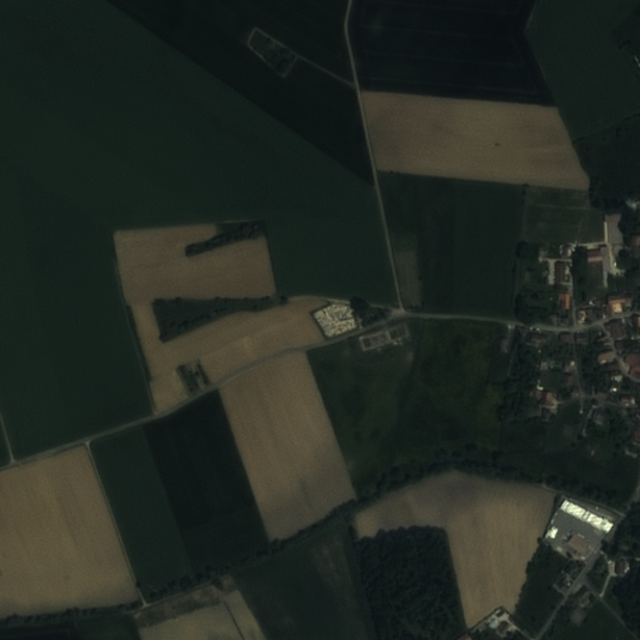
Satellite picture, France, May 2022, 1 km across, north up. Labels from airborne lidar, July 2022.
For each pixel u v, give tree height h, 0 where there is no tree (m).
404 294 0
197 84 0
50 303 0
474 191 0
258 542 0
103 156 0
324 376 0
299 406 0
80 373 0
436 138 0
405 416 0
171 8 0
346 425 0
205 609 0
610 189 0
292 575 0
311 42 0
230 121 0
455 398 0
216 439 0
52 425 0
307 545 0
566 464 0
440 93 0
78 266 0
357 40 0
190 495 0
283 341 0
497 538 0
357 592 0
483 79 0
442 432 0
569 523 0
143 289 0
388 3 0
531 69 0
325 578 0
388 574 27
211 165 0
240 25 0
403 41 0
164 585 0
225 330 0
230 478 0
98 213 0
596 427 10
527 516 0
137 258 0
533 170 0
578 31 0
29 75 0
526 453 0
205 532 0
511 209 0
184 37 0
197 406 0
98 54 0
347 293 0
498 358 0
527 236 0
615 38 0
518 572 0
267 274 0
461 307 0
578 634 0
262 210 0
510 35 0
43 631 0
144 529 0
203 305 0
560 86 0
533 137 0
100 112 0
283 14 0
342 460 0
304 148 0
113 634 0
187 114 0
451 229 0
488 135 0
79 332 0
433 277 0
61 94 0
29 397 0
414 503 0
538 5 0
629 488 0
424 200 0
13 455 0
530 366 8
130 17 0
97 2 0
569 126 0
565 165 0
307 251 0
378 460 0
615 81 0
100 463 0
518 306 13
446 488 0
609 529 0
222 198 0
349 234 0
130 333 0
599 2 0
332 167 0
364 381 0
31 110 0
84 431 0
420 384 0
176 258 0
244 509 0
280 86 0
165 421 0
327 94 0
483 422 0
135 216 0
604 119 0
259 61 0
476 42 0
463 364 0
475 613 0
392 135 0
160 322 0
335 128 0
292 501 0
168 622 0
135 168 0
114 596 0
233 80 0
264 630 0
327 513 0
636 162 0
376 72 0
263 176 0
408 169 0
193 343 0
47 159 0
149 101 0
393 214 0
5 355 0
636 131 0
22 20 0
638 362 0
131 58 0
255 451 0
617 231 0
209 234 0
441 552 24
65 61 0
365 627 0
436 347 0
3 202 0
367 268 0
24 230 0
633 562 19
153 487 0
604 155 0
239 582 0
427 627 14
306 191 0
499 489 0
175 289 0
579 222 0
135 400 0
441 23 0
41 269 0
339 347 0
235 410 0
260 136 0
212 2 0
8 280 0
